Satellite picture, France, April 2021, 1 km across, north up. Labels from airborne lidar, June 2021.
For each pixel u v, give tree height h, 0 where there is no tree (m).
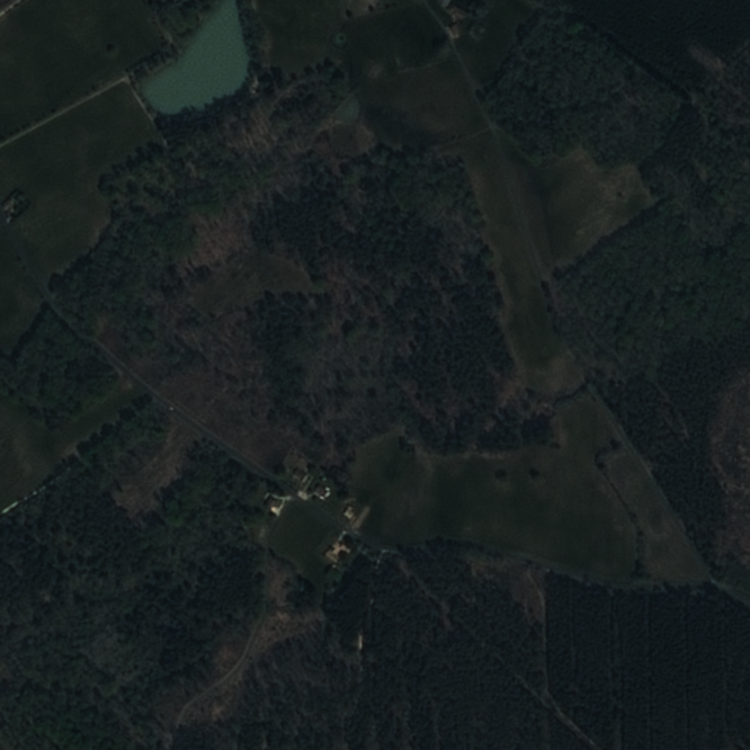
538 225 0
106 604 10
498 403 19
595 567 0
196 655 9
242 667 0
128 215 10
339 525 0
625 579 0
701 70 13
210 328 12
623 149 18
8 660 23
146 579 9
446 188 25
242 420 0
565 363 0
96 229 0
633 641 15
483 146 0
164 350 8
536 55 26
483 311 25
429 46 0
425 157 19
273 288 0
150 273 19
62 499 16
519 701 21
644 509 0
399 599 20
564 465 0
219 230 16
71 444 0
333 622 20
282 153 20
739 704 15
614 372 10
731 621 16
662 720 15
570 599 16
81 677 21
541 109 19
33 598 15
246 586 21
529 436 22
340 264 8
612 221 0
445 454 12
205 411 0
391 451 0
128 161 0
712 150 16
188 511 20
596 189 0
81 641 20
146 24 0
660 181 15
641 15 13
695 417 19
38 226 0
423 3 0
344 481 11
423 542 0
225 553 15
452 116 0
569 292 24
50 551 15
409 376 24
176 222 27
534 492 0
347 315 17
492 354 23
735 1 10
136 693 12
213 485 17
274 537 0
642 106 15
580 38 23
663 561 0
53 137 0
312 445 8
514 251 0
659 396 21
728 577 13
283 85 21
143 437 19
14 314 0
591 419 0
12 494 0
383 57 0
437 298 23
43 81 0
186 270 12
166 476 0
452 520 0
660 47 14
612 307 20
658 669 18
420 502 0
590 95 22
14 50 0
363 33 0
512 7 0
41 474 0
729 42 10
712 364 23
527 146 18
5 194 0
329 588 10
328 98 7
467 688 24
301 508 0
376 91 0
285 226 24
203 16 17
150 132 0
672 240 25
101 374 19
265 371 11
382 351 8
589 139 20
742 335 22
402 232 20
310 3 0
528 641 22
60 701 23
